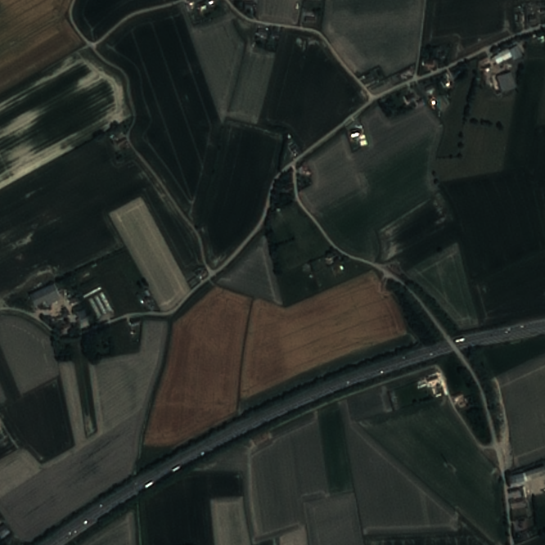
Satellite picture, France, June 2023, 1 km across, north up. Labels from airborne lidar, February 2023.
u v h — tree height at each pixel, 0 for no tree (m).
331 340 0
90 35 0
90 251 0
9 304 0
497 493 0
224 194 0
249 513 0
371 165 0
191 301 0
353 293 0
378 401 0
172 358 0
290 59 0
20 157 0
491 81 0
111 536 0
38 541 9
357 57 0
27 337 0
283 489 0
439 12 0
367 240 0
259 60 0
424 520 0
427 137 0
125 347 0
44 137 0
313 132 0
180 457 0
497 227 0
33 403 0
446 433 0
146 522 0
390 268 0
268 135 0
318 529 0
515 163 0
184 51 0
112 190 0
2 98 0
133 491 0
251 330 0
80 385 0
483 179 0
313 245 0
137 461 0
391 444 0
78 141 0
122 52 0
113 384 0
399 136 0
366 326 0
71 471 0
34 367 0
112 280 0
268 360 0
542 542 0
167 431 0
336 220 0
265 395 0
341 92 0
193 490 0
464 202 0
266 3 0
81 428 0
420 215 0
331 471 0
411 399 0
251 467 0
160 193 0
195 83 0
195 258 0
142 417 0
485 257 0
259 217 0
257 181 0
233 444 10
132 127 0
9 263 0
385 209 0
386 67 0
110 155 0
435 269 0
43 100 0
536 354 0
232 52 0
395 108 9
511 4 0
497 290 0
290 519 0
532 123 0
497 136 0
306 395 0
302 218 0
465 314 0
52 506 0
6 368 0
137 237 0
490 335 0
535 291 0
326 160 0
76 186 0
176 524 0
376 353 0
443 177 0
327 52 0
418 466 0
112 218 0
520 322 0
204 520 0
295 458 0
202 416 0
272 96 0
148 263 0
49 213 0
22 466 0
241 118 0
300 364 0
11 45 0
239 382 0
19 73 0
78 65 0
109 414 0
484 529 0
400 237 0
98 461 0
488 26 0
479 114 0
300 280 0
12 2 0
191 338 0
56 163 0
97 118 0
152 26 0
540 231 0
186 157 0
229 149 0
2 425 0
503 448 0
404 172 0
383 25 0
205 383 0
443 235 0
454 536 0
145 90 0
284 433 0
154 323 0
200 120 0
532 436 0
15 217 0
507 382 0
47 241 0
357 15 0
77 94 0
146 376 0
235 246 0
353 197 0
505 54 0
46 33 0
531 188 0
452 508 0
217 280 0
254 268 0
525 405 0
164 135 0
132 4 0
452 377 0
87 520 0
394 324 0
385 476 0
